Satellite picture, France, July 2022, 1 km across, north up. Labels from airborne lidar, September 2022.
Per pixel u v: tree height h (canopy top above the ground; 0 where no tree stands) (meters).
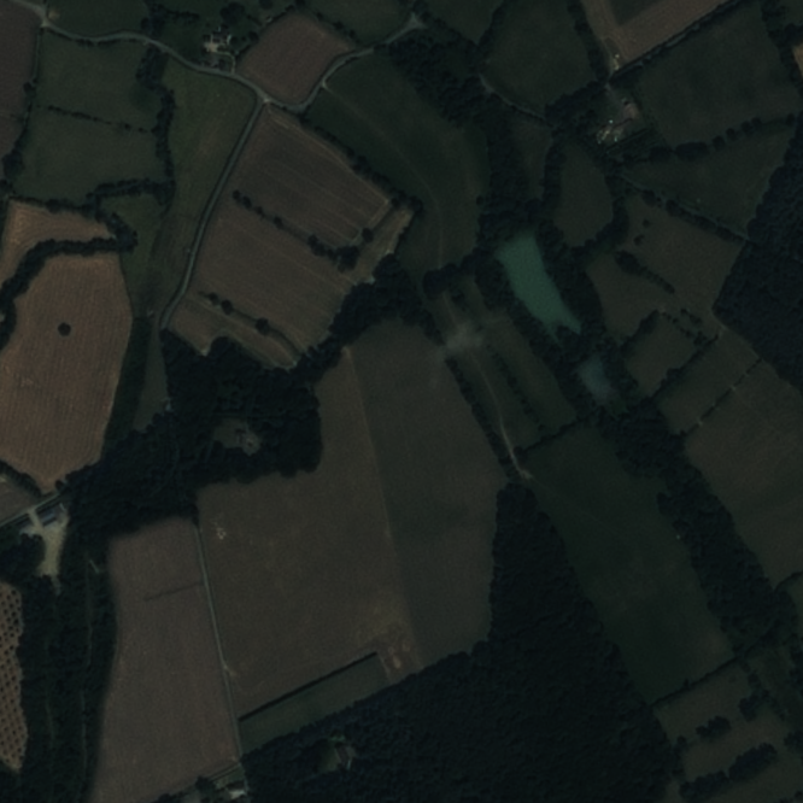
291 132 0
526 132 0
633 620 0
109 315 0
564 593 16
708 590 12
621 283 0
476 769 15
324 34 0
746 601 20
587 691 23
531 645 17
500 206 14
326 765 0
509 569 16
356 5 0
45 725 20
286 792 21
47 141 0
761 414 0
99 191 8
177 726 0
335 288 0
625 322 0
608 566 0
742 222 0
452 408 0
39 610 19
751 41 0
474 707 16
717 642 0
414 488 0
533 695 19
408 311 21
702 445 0
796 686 10
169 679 0
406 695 14
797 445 0
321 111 0
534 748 13
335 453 0
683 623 0
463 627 0
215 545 0
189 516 10
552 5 0
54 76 0
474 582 0
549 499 0
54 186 0
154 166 0
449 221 0
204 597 0
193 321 0
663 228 0
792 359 17
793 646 12
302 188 0
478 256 18
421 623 0
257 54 0
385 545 0
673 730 0
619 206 12
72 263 0
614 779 12
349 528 0
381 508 0
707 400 0
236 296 0
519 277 0
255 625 0
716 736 18
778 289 21
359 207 0
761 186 0
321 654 0
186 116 0
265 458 18
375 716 26
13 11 0
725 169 0
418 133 0
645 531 0
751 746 0
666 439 21
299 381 11
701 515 17
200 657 0
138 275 0
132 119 0
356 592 0
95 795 0
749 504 0
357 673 0
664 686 0
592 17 0
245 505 0
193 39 0
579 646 20
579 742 20
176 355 12
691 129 0
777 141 0
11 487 0
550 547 25
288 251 0
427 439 0
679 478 15
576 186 0
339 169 0
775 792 0
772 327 17
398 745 21
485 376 0
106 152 0
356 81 0
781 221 21
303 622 0
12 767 0
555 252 21
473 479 0
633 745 19
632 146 6
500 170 14
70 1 0
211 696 0
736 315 15
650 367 0
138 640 0
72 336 0
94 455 0
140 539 0
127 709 0
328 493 0
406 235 9
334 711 0
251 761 14
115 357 0
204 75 0
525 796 20
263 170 0
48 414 0
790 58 13
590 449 0
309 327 0
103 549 18
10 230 0
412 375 0
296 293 0
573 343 17
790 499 0
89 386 0
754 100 0
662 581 0
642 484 0
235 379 6
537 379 0
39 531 0
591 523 0
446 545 0
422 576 0
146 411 0
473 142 0
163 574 0
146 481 22
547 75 0
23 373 0
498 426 0
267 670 0
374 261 0
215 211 0
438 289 24
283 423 10
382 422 0
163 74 0
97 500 18
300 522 0
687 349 0
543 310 0
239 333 0
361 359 0
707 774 0
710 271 0
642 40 0
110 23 0
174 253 0
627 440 21
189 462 14
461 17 0
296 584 0
